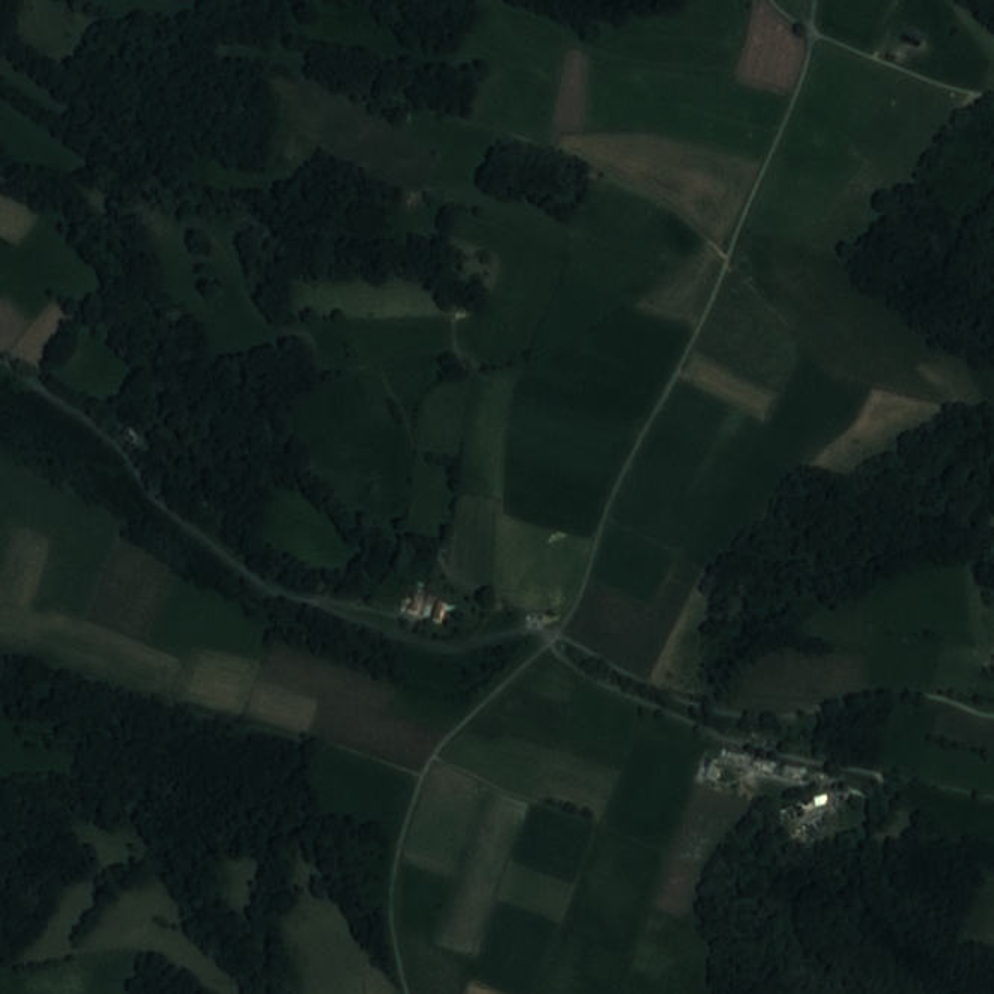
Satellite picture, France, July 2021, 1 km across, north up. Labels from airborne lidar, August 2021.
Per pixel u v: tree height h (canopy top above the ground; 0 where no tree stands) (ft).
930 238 60
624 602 0
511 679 0
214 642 0
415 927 0
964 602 0
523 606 0
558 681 0
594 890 0
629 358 0
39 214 43
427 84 79
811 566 73
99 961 0
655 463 0
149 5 0
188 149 70
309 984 0
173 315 68
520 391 0
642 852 0
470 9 66
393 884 0
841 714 55
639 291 0
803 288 0
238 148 85
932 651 0
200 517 61
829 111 0
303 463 67
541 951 0
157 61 78
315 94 0
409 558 43
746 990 67
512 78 0
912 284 63
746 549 39
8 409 36
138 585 0
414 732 0
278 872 75
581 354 0
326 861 49
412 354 0
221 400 66
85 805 75
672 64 0
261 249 65
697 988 0
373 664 44
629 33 0
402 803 0
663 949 0
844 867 24
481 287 23
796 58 0
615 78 0
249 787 56
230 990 0
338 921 0
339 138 0
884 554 89
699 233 0
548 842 0
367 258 81
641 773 0
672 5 77
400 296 0
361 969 0
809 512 54
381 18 63
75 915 0
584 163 35
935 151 38
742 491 0
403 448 0
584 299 0
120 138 67
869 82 0
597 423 0
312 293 0
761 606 32
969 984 66
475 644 0
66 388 62
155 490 56
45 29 0
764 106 0
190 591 0
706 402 0
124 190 92
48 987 0
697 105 0
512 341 0
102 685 35
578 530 0
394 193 40
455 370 56
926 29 0
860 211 0
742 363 0
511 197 42
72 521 0
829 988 69
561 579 0
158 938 0
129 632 0
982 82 0
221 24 77
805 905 89
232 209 35
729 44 0
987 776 0
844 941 73
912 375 0
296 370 68
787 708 0
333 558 0
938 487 73
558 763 0
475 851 0
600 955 0
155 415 48
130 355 73
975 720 0
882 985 60
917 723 0
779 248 0
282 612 26
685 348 0
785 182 0
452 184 0
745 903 70
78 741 35
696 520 0
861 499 60
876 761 56
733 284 0
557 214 48
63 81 86
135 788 56
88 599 0
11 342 0
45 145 0
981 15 65
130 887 55
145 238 82
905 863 75
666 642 0
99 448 35
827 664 0
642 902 0
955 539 78
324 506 70
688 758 0
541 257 0
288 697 0
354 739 0
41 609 0
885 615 0
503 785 0
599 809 0
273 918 63
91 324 61
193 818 72
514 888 0
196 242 77
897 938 96
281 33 31
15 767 0
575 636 0
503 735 0
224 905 51
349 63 66
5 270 0
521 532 0
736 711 0
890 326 0
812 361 0
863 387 0
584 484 0
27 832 72
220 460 90
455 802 0
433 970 0
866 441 0
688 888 0
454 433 0
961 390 0
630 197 0
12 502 0
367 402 0
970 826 0
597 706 0
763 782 0
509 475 0
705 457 0
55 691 47
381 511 0
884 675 0
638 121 0
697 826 0
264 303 77
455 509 21
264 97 85
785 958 58
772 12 0
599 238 0
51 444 62
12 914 85
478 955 0
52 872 91
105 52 67
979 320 67
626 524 0
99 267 86
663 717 35
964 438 69
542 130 0
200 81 73
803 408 0
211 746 53
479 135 0
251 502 74
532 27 0
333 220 80
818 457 0
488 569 0
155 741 76
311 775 47
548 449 0
